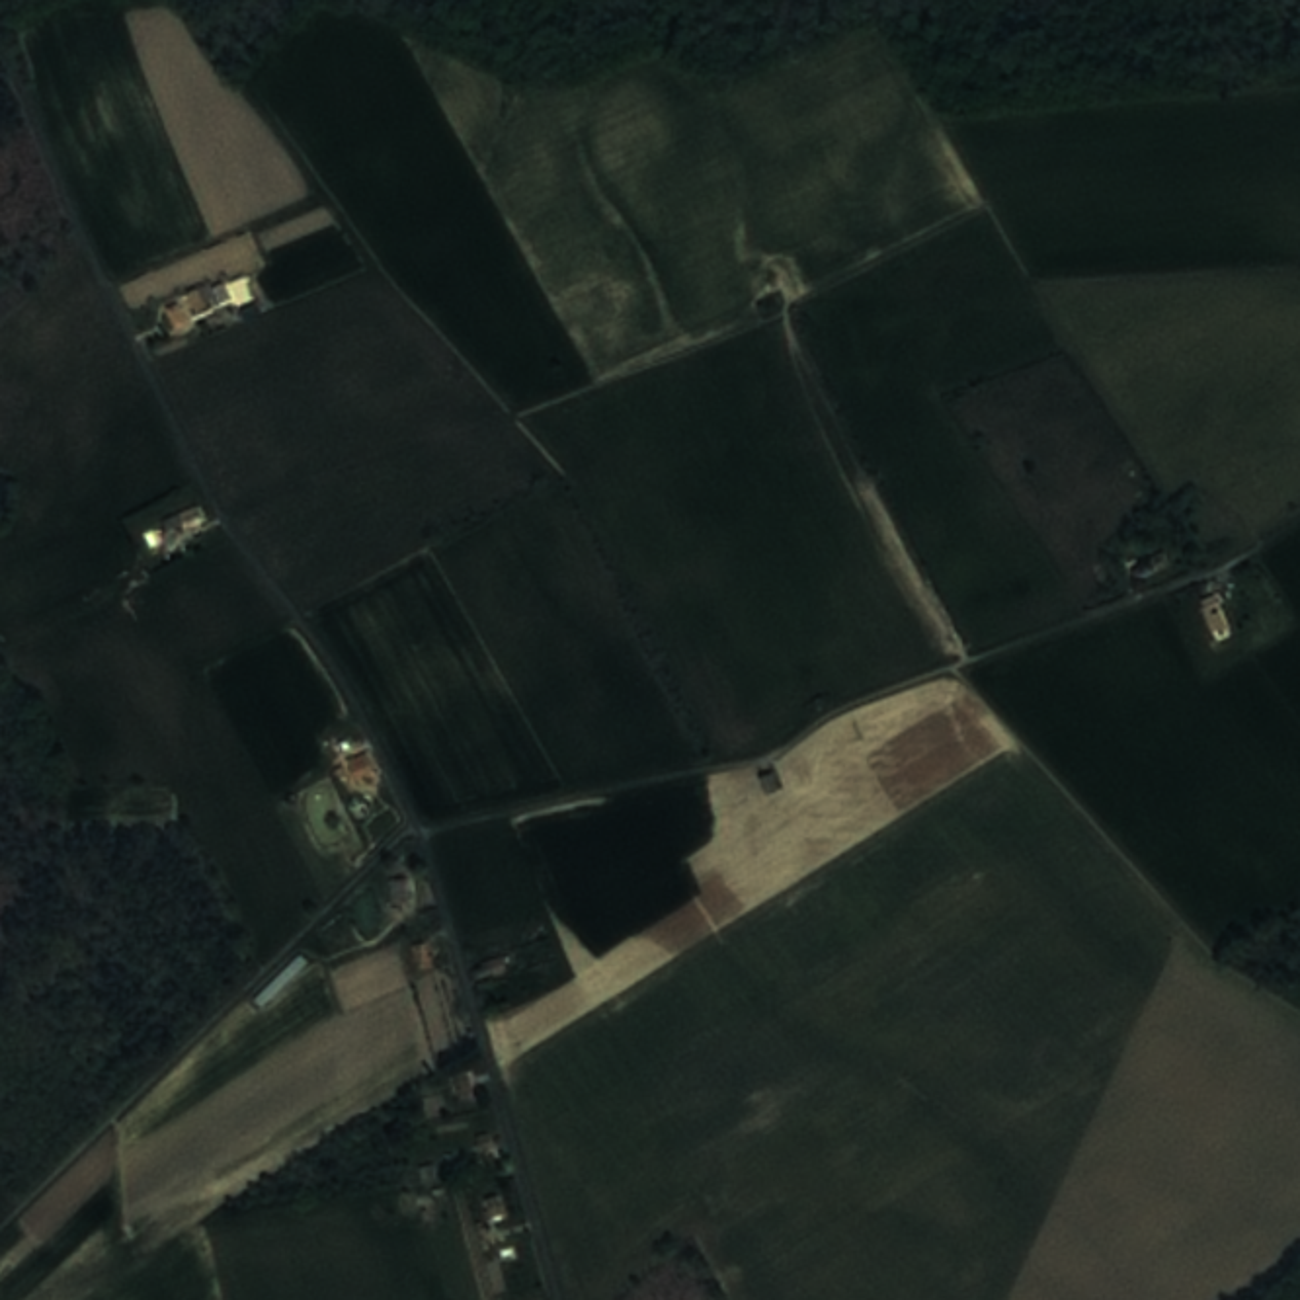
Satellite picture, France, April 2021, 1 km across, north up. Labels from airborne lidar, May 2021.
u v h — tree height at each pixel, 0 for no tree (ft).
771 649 0
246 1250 0
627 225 0
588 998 0
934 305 0
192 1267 0
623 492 0
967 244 0
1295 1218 0
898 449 0
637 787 0
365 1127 30
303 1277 0
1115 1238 0
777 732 0
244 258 0
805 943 0
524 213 0
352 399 0
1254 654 0
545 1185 0
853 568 0
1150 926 0
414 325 0
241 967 49
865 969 0
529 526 0
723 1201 0
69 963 22
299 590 0
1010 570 0
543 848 0
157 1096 0
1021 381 0
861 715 0
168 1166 0
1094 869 0
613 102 0
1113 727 0
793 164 0
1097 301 0
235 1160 0
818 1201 0
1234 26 70
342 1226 0
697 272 0
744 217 0
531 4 55
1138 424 0
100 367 0
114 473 0
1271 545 0
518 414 0
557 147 0
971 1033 0
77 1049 46
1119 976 0
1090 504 0
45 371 0
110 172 0
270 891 0
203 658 0
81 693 0
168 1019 44
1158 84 86
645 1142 0
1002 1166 0
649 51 51
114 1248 0
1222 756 0
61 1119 43
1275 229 0
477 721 0
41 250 28
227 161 0
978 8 40
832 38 52
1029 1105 0
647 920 0
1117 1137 0
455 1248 0
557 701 0
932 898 0
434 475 0
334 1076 0
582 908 0
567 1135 0
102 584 0
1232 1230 0
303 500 0
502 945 0
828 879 0
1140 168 0
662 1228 0
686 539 0
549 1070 0
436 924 33
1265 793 0
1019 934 0
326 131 0
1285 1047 0
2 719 54
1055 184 0
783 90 0
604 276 0
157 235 0
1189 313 0
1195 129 0
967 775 0
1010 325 0
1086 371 0
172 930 50
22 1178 32
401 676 0
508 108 0
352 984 0
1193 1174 0
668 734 0
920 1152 0
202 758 0
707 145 0
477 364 0
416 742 0
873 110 0
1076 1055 0
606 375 0
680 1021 0
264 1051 0
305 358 0
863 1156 0
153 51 0
